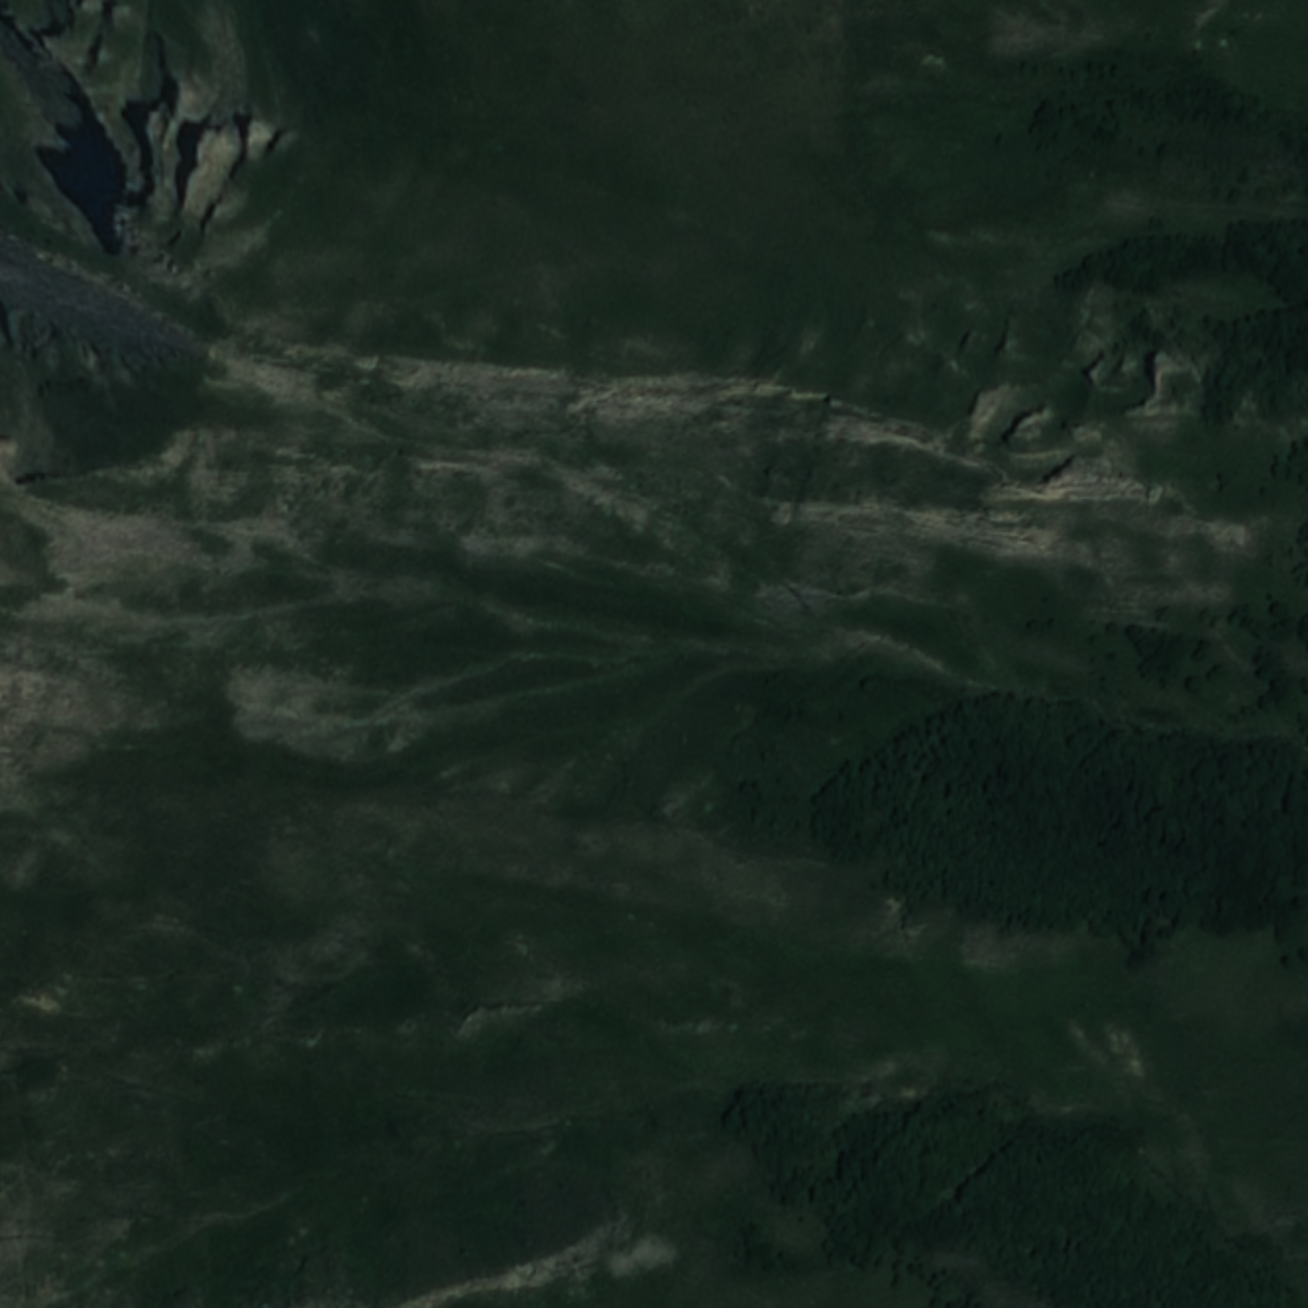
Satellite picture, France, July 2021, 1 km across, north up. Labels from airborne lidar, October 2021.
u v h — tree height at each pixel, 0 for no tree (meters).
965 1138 18
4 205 0
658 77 0
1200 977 0
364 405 0
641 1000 0
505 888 0
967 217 0
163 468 0
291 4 0
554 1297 0
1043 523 0
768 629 0
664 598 0
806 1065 0
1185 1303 27
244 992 0
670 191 0
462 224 0
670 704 0
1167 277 14
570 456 0
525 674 0
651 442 0
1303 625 11
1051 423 0
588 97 0
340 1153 0
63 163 0
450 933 0
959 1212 25
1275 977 0
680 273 0
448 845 0
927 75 0
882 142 0
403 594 0
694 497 0
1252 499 0
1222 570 0
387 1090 0
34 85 0
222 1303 0
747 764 0
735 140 0
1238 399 13
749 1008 0
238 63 0
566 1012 0
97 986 0
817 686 0
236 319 0
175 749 0
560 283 0
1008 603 0
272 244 0
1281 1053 0
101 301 0
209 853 0
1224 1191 0
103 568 0
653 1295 0
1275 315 16
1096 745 29
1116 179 0
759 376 0
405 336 0
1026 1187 21
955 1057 0
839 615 0
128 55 0
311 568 0
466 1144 0
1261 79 0
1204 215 0
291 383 0
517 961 0
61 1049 0
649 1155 0
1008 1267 12
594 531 0
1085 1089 0
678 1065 0
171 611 0
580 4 0
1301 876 21
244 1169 0
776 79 0
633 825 0
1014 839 28
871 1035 0
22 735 0
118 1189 0
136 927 0
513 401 0
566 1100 0
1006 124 0
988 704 19
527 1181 0
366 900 0
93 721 0
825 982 0
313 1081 0
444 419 0
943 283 0
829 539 0
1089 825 26
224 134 0
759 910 0
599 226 0
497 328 0
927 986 0
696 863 0
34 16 0
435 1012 0
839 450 0
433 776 0
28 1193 0
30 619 0
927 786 19
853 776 20
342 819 0
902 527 0
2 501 0
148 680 0
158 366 0
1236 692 0
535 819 0
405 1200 0
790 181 0
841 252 0
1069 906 20
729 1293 0
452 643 0
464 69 0
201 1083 0
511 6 0
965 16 0
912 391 0
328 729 0
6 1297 0
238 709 0
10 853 0
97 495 0
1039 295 0
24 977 0
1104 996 0
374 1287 0
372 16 0
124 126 0
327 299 0
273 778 0
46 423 0
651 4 0
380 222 0
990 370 0
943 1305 16
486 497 0
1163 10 0
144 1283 0
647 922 0
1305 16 0
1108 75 14
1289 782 26
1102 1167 15
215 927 0
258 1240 0
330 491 0
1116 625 12
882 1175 23
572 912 0
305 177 0
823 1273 0
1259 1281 18
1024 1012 0
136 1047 0
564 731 0
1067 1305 16
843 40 0
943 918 0
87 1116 0
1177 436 0
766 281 0
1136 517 0
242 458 0
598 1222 0
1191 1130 0
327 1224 0
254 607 0
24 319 0
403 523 0
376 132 0
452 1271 0
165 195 0
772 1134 10
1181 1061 0
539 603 0
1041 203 0
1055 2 0
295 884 0
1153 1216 21
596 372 0
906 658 0
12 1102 0
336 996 0
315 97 0
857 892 0
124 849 0
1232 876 25
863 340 0
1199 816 29
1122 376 9
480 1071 0
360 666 0
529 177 0
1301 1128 0
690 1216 0
